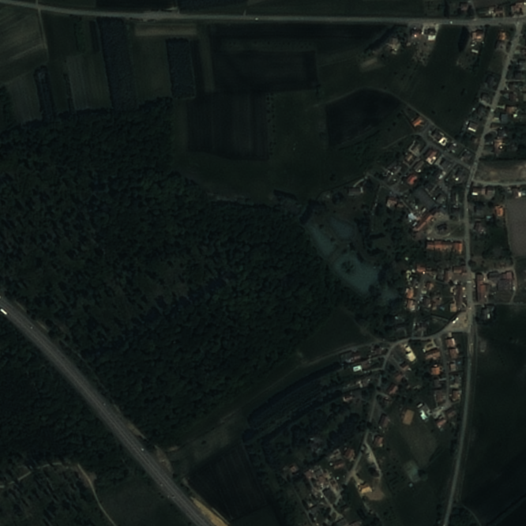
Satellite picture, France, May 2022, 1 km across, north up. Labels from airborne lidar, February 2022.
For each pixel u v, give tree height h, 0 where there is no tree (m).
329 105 0
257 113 0
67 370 0
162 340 30
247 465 0
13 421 19
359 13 0
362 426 10
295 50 0
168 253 22
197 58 0
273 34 0
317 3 0
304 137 0
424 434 0
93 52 0
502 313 0
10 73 0
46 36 0
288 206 0
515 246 0
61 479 0
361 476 0
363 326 20
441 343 0
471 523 7
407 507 0
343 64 0
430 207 0
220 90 0
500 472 0
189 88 17
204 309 28
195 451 0
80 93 0
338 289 19
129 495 0
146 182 29
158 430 25
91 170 0
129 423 9
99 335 0
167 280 0
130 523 0
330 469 0
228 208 19
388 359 0
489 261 0
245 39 0
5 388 17
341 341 0
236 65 0
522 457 0
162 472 0
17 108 0
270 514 0
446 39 0
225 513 0
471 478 0
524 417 0
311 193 0
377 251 12
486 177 0
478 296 0
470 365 0
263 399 0
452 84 0
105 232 32
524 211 0
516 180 0
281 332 27
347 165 0
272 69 0
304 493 0
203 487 0
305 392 15
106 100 0
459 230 0
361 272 0
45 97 13
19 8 0
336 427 0
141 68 0
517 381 0
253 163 0
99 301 29
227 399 22
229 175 0
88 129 27
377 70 0
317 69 0
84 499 26
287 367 0
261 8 0
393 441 0
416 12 0
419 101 0
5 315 0
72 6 0
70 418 28
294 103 0
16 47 0
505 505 0
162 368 31
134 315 0
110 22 18
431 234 0
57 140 24
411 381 0
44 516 0
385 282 14
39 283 0
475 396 0
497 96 0
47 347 0
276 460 18
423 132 0
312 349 0
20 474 0
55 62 0
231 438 0
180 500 0
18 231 0
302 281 19
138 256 28
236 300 29
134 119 22
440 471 0
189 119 0
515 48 0
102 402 0
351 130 0
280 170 0
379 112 0
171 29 0
